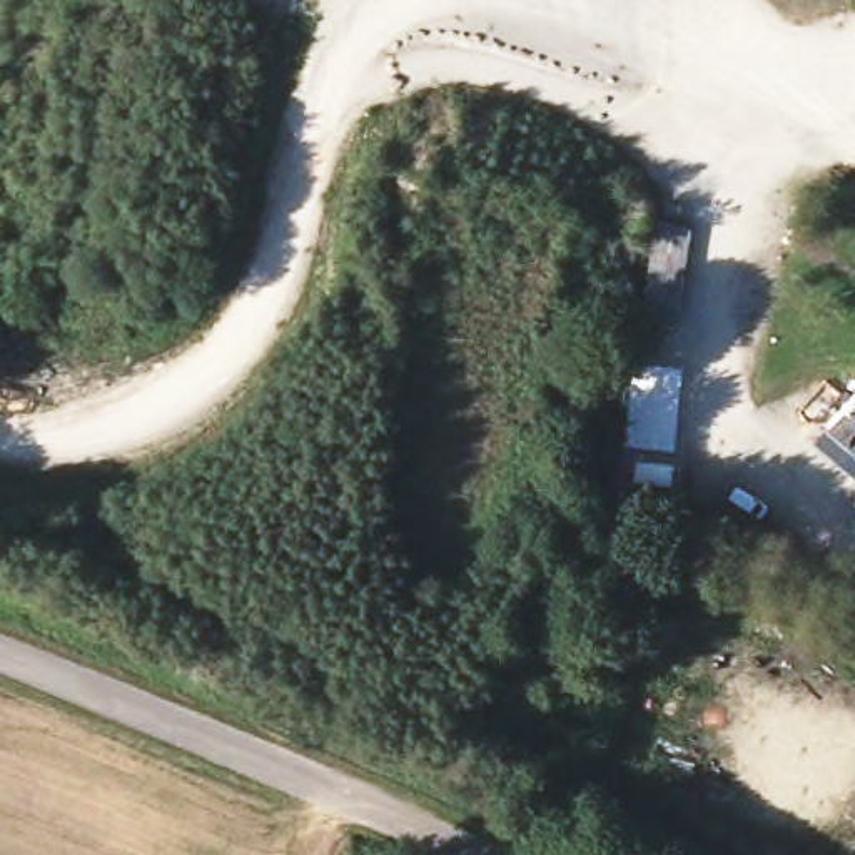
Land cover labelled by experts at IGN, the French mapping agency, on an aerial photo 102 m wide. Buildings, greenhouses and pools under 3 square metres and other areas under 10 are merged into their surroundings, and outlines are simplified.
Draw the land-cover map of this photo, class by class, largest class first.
<instances>
[{"label":"brushwood","instance_id":"1","mask_svg":"<svg viewBox=\"0 0 855 855\"><path fill-rule=\"evenodd\" d=\"M254 33V23L244 17V3L224 0H0V391H10L20 377L43 371L50 364V354H73L83 367H94L104 357V344L110 341H127V354L140 364L177 357L184 347L200 344L204 334L214 327V321L197 307L200 294L214 277L207 240L234 227V200L227 190L234 187V170L214 160L220 130L194 117V104L210 97V67L250 73L257 67L254 57H234L237 40ZM454 90L464 107L458 114L461 134L454 144L448 137H438L431 170H401L397 164H387L381 150L354 184L347 230L357 234V247L337 257L341 291H334L321 304V314L314 321H304L294 331L301 341H314V351L301 357V367H287L294 391H281L271 401H264L271 411L264 441L244 448L227 434L214 441H200L197 434H190L187 441L167 451L144 454L137 461L107 458L50 464L43 451H37L27 461L0 454V635L23 641L37 651L67 658L73 665L94 668L117 681H127L140 691L200 711L271 745L311 755L327 768L377 785L381 792L431 812L434 802L444 805L451 798V785H461L471 768L474 748L454 738L448 728L461 708H471V695L484 685V665L508 651V618L514 611V601L524 594L528 581L548 584L544 618L551 668L528 685V701L534 708H548L564 705L574 695L578 701H584L594 685L588 668L594 658L591 638L598 628V605L574 588V574L554 554V548H548L538 558L531 554L528 561L501 554L498 568H484L474 558L468 568L471 578L454 594L458 621L448 641L438 638L434 625L421 621L414 611L397 605L387 608L391 628L367 625V591L357 578L361 538L371 534L381 521V471L387 468L391 454L377 444V438L387 428V417L377 404L381 357L394 347L397 331L411 317H448V274L464 267L454 187H461V180L478 167V160L498 167V174L514 187H528L534 177L551 180L558 204L568 210L571 220L568 257L561 267V291L568 304H578L598 331H611L618 337V347L625 354L618 391L628 394L635 377L655 367V357L665 351V337L685 324L691 311L698 277L688 267H681L675 277L648 271L651 247L658 240L681 237L695 220L688 214L671 210V204L681 194L658 184V177L651 174L661 160L648 157L635 137H618L605 124L578 117L561 104L538 100L528 90H504L498 83H458ZM792 230L812 237H828L835 230L855 234V164H835L822 170L812 184L798 187L795 214L788 217ZM708 605V611L741 618L738 638L755 655L778 658V678L772 681L778 691H788L795 705L815 698L828 708L855 711V554H828L812 571L788 551V538L778 534H768L758 544V554L741 544L715 541L708 574L698 581V594ZM401 838L377 835L357 825L351 838L344 835L327 855H401Z\"/></svg>","mask_w":855,"mask_h":855},{"label":"pervious surface","instance_id":"2","mask_svg":"<svg viewBox=\"0 0 855 855\"><path fill-rule=\"evenodd\" d=\"M244 3V17L254 23V33L237 40L234 57H254L257 67L250 73L210 67V97L194 104V117L220 130L214 160L234 170V187L227 190L234 200V227L207 240L214 277L200 294L197 307L214 321V327L204 334L200 344L184 347L177 357L140 364L134 377H120L117 384L104 381L94 367H83L73 354H50V364L43 371L20 377L10 391H0V454L27 461L37 451H43L50 464L107 458L137 461L144 454L167 451L187 441L190 434V424L200 421V414L210 404H217L247 374V367L257 364L277 341V321L291 314L297 291L304 284L324 190L331 184L341 144L354 130V124L374 104L411 97L421 87L434 83H498L504 90H528L538 100L561 104L578 117L605 124L618 137H635L648 157L661 160L651 174L658 177V184L681 194L671 204V210L688 214L695 220L681 237L658 240L651 247L648 271L675 277L681 267H688L698 277L691 311L685 324L665 337V351L655 357V367H671L681 374L675 451L628 444V394L618 391L594 397V404L584 411V421L568 451V474L578 491H588L594 498L615 491L621 501H628L638 481V464H668L671 481L658 484L655 494L671 501L675 531L681 534V551L675 561L678 591L698 594V581L708 574L715 541L741 544L758 554V544L768 534H778L788 538V551L812 571L828 554H855V491H842L828 471L805 461V454L818 444V438L838 431L855 414V374L842 377V391H835L828 381H812L785 401L765 407L751 404L755 357L775 344L768 331L758 327V321L772 311V281L782 274V250L792 240V230L788 217L795 214L798 187L812 184L822 170L835 164H855V17L835 13L818 23L798 27L788 23L765 0H224ZM0 671L43 691H53L67 701H77L90 711L134 725L147 735L190 748L217 765L244 772L271 788L301 798L304 805L314 815H337L344 825H357L377 835L401 838V855H508L484 832L481 818H464L454 828L451 822L431 812L381 792L377 785L327 768L311 755L271 745L200 711L140 691L127 681H117L94 668L73 665L67 658L37 651L23 641L0 635ZM705 728H711L718 741L731 748V772L738 782H745L768 805L792 812L795 818H805L815 828H825L842 845V852H855V711L828 708L815 698L795 705L788 691H778L772 681L761 685L758 678H731L705 711Z\"/></svg>","mask_w":855,"mask_h":855},{"label":"herbaceous vegetation","instance_id":"3","mask_svg":"<svg viewBox=\"0 0 855 855\"><path fill-rule=\"evenodd\" d=\"M788 23L798 27L818 23L835 13L855 17V0H765ZM458 83H434L421 87L411 97L374 104L354 124V130L341 144L331 184L324 190L304 284L297 291L291 314L277 321V341L257 364L247 367V374L217 404H210L200 414V421L190 424V434H197L200 441H214L227 434L244 448L264 441L271 411L264 401H271L281 391H294L287 367H301V357L314 351V341H301L294 331L304 321H314L321 314V304L334 291H341L337 257L357 247V234L347 230L354 184L381 150L387 164H397L401 170H431L438 137H448L454 144L461 134L458 114L464 107L454 90ZM464 267L448 274V317H411L397 331L394 347L381 357L377 404L387 417V428L377 438V444L391 454L387 468L381 471V521L401 534V551L394 558L411 561L404 568V578H414L417 584L431 578L451 588L454 594L471 578L468 568L474 558L471 514L484 501L488 468L501 454L504 434H511L514 428L538 424L534 414L544 401H521L518 367L528 364L531 341L551 331L554 311L568 304L561 291V267L568 257L571 220L568 210L558 204L551 180L534 177L528 187H514L498 174V167L478 160V167L461 180V187H454ZM772 311L758 321V327L768 331L775 344L755 357L751 404L765 407L785 401L812 381H828L835 391H842V377L855 374V234L835 230L828 237H812L792 230V240L782 250V274L772 281ZM94 367L104 381L117 384L120 377H134L140 364L127 354V341H110L104 344V357ZM731 678H758L761 685L772 681L778 678V658L755 655L738 638L721 645L708 658L675 665L671 675L648 681L645 698V711L661 715L655 721V741L671 755V765L681 768L671 778L678 788V825L691 838L711 842L718 855H855V852H842V845L825 828H815L805 818H795L792 812L768 805L745 782H738L731 772V748L718 741L711 728H705V711ZM0 698L50 708L94 735L127 745L137 758L167 761L184 775L207 778L230 792L261 798L267 802L261 815L304 805L301 798L271 788L244 772L217 765L190 748L147 735L134 725L90 711L77 701H67L53 691H43L0 671Z\"/></svg>","mask_w":855,"mask_h":855},{"label":"deciduous trees","instance_id":"4","mask_svg":"<svg viewBox=\"0 0 855 855\"><path fill-rule=\"evenodd\" d=\"M625 354L618 347V337L611 331H598L578 304H568L554 311L551 331L531 341L528 364L518 367L521 401H544L534 414L538 424L514 428L511 434H504L501 454L488 468L484 501L471 514L474 558L484 568H498L501 554L528 561L531 554L538 558L548 548H554V554L574 574V588L598 605V628L591 638L594 658L588 668L594 685L584 701H578L574 695L564 705L548 708H534L528 701V685L551 668L544 618L548 584L528 581L524 594L514 601V611L508 618V651L484 665V685L471 695V708H461L448 728L454 738L474 748L471 768L461 785H451V798L444 805L434 802L431 812L451 822L454 828L464 818H481L484 832L508 855H718L711 842L691 838L678 825V788L671 778L681 768L671 765V755L655 741V721L661 715L645 711V698L648 681L671 675L675 665L708 658L721 645L738 638L741 618L708 611V605L698 594L678 591L675 561L681 551V534L675 531L671 501L655 494L658 484L638 481L628 501H621L615 491L594 498L588 491H578L568 474V451L584 421V411L594 404V397L618 391ZM401 551V534L381 521L371 534L361 538L357 578L367 591V625L391 628L387 608L397 605L414 611L421 621L434 625L438 638L448 641L458 621L454 594L451 588L431 578L417 584L414 578H404V568L411 561L394 558Z\"/></svg>","mask_w":855,"mask_h":855},{"label":"agricultural land","instance_id":"5","mask_svg":"<svg viewBox=\"0 0 855 855\"><path fill-rule=\"evenodd\" d=\"M267 802L261 798L230 792L207 778L184 775L167 761L137 758L127 745L94 735L50 708L0 698V855H327L344 835L351 838L357 825H344L337 815H314L304 805L261 815Z\"/></svg>","mask_w":855,"mask_h":855},{"label":"building","instance_id":"6","mask_svg":"<svg viewBox=\"0 0 855 855\"><path fill-rule=\"evenodd\" d=\"M681 374L671 367H655L635 377L628 394V444L675 451ZM805 461L828 471L842 491H855V414L838 431L818 438V444L805 454ZM638 481L658 484L671 481L668 464H638Z\"/></svg>","mask_w":855,"mask_h":855}]
</instances>
